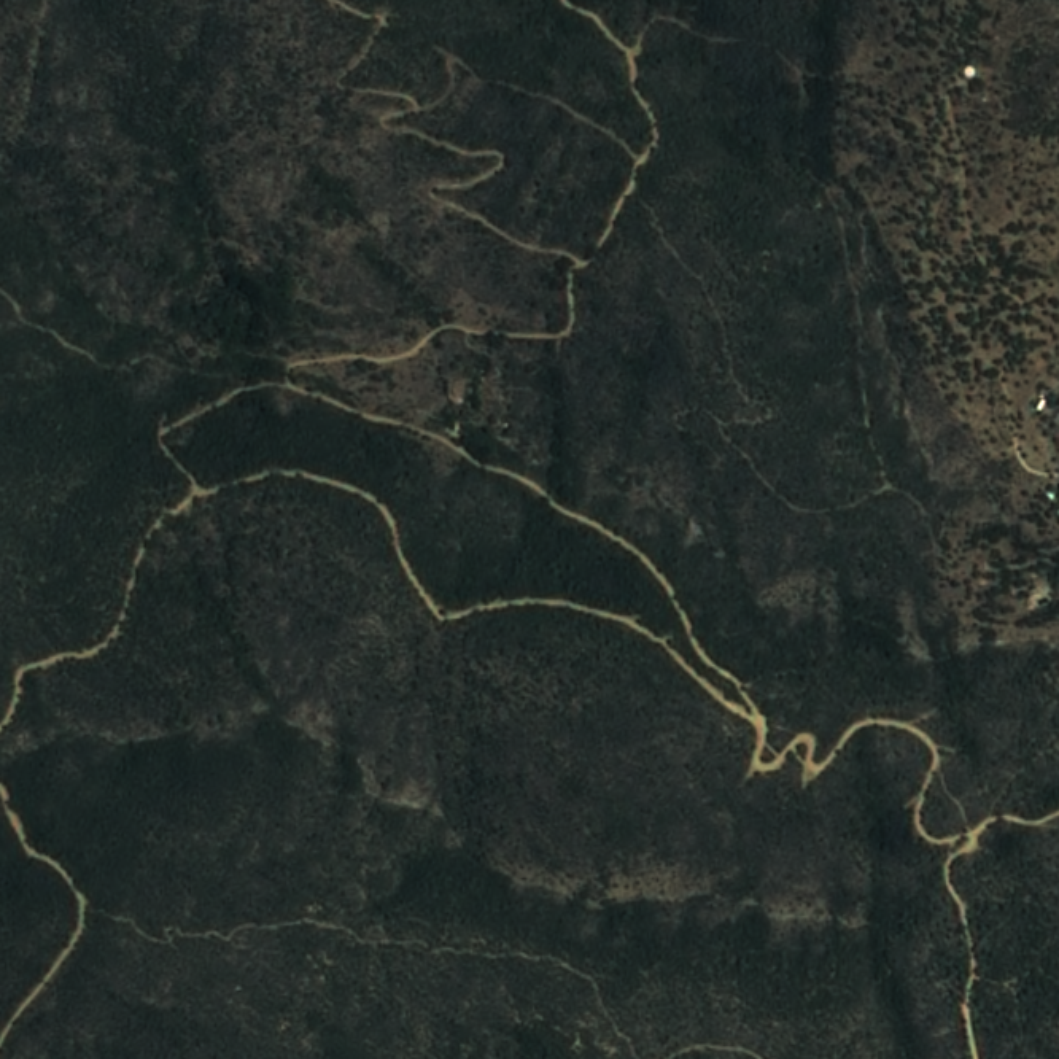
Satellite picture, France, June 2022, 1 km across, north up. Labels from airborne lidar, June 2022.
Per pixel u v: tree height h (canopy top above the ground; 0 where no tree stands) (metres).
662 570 7
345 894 6
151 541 10
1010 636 0
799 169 7
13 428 7
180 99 9
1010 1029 5
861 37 6
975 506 0
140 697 7
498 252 6
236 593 8
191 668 9
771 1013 7
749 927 7
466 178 7
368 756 0
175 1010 8
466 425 5
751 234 7
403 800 0
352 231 0
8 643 5
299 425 7
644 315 7
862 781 6
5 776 7
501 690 7
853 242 6
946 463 0
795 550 0
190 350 6
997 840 6
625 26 6
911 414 0
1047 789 6
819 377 6
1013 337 7
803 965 7
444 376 9
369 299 0
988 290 8
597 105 8
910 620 0
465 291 0
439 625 6
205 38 8
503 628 7
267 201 0
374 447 6
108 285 0
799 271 8
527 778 6
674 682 6
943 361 6
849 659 7
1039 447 6
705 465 6
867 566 8
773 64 6
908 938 6
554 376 8
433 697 6
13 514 7
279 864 6
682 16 7
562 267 7
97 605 6
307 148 6
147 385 0
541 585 8
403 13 6
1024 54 6
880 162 8
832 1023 7
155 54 7
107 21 8
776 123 8
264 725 7
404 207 0
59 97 0
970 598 7
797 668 7
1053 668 8
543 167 6
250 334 9
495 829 6
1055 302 8
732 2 7
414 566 7
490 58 6
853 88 6
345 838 6
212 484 9
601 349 6
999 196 0
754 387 7
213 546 7
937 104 7
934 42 7
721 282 8
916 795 6
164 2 6
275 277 8
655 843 6
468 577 7
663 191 8
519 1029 6
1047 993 9
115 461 6
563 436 8
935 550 0
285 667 0
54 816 7
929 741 0
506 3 7
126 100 7
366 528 11
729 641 5
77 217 9
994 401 8
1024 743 7
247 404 10
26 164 9
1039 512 6
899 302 7
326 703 0
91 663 6
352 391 5
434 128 6
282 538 8
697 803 0
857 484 7
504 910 8
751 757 6
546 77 8
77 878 6
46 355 6
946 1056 0
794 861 0
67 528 7
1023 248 7
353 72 6
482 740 6
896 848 7
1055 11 0
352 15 7
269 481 7
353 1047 0
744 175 8
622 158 7
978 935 6
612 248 8
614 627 9
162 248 6
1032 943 6
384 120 0
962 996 8
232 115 6
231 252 13
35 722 6
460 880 6
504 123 6
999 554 7
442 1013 7
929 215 6
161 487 6
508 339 7
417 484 7
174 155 7
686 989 6
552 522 8
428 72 6
